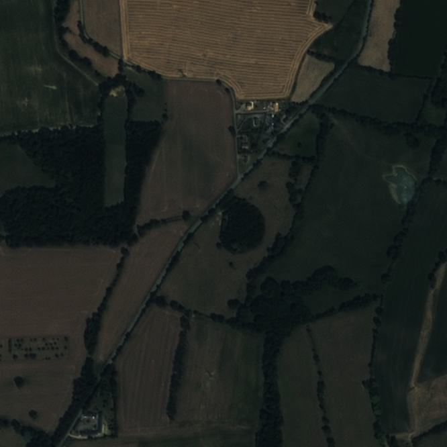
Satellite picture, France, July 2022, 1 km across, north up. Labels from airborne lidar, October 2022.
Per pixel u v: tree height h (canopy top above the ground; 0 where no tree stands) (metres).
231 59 0
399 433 0
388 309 0
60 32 10
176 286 0
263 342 0
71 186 15
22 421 0
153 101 0
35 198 20
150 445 0
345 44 0
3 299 0
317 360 15
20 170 0
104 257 0
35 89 0
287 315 28
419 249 0
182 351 20
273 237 0
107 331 0
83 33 11
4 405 0
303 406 0
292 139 0
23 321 0
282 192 0
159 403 0
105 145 9
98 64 0
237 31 0
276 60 0
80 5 0
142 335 0
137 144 24
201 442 0
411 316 0
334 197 0
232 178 0
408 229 15
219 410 0
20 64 0
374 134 0
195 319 0
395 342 0
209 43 0
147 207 0
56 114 0
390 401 0
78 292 0
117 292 0
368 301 20
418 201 9
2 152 0
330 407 0
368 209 0
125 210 20
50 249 0
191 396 0
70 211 21
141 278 0
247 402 0
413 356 0
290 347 0
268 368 21
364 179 0
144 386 0
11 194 19
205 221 17
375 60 0
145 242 0
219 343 0
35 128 0
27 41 0
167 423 0
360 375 0
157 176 0
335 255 0
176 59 0
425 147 0
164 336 0
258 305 23
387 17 0
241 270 0
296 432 0
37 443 27
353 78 0
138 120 0
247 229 13
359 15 0
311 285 20
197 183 0
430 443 0
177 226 0
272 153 15
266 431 14
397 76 7
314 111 8
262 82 0
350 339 0
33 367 0
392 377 0
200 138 0
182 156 0
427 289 0
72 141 20
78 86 0
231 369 0
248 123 0
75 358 0
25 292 0
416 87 0
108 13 0
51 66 0
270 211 0
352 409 0
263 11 0
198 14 0
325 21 16
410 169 0
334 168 0
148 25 0
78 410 10
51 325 0
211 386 0
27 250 0
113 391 11
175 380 23
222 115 0
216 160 0
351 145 0
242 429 0
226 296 0
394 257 18
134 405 0
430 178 11
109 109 0
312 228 0
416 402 0
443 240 0
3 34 0
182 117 0
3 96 0
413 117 0
